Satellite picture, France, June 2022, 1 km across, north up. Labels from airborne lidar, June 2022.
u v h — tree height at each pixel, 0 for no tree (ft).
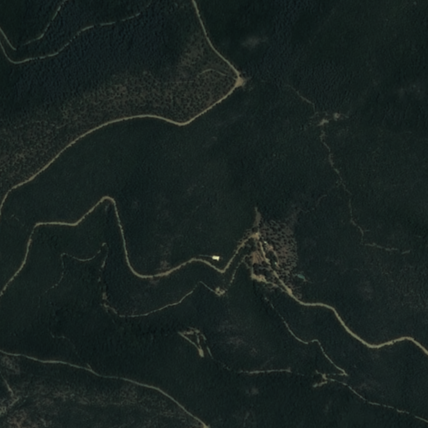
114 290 27
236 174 25
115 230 25
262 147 25
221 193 20
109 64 43
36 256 21
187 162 21
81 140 29
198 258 29
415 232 42
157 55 37
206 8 23
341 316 20
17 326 31
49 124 26
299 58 31
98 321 21
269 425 28
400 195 20
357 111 32
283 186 21
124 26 27
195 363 25
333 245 23
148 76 19
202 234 20
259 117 40
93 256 21
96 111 22
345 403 19
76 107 18
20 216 25
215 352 23
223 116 23
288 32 37
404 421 40
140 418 21
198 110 21
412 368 22
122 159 43
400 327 19
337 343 20
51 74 28
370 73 29
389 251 24
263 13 22
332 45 30
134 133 20
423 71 35
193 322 33
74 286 25
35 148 33
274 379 28
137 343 32
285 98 26
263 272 46
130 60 41
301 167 24
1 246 23
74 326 27
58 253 39
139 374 24
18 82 44
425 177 19
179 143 22
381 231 18
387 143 24
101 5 33
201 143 18
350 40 30
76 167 20
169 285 18
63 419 19
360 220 22
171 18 30
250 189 23
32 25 26
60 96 42
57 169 23
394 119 31
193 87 22
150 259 19
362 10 29
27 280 26
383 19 27
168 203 20
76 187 24
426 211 23
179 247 22
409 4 40
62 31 38
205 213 17
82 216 28
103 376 29
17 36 37
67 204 19
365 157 29
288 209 20
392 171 27
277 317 24
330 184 18
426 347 18
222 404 24
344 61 20
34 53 20
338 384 25
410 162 19
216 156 25
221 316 18
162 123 20
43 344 23
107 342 25
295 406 30
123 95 29
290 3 44
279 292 45
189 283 27
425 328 29
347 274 18
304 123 24
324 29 21
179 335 27
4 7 28
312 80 31
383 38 26
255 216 33
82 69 41
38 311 30
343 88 20
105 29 40
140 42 50
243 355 18
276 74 42
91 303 40
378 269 25
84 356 30
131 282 22
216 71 19
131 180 18
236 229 30
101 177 22
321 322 17
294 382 26
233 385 26
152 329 47
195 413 22
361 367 18
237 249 34
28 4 29
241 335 25
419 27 30
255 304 28
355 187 21
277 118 31
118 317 24
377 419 34
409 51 30
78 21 43
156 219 22
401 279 30
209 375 27
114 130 18
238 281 27
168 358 23
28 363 18
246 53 19
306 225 20
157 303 21
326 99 36
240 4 30
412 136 22
